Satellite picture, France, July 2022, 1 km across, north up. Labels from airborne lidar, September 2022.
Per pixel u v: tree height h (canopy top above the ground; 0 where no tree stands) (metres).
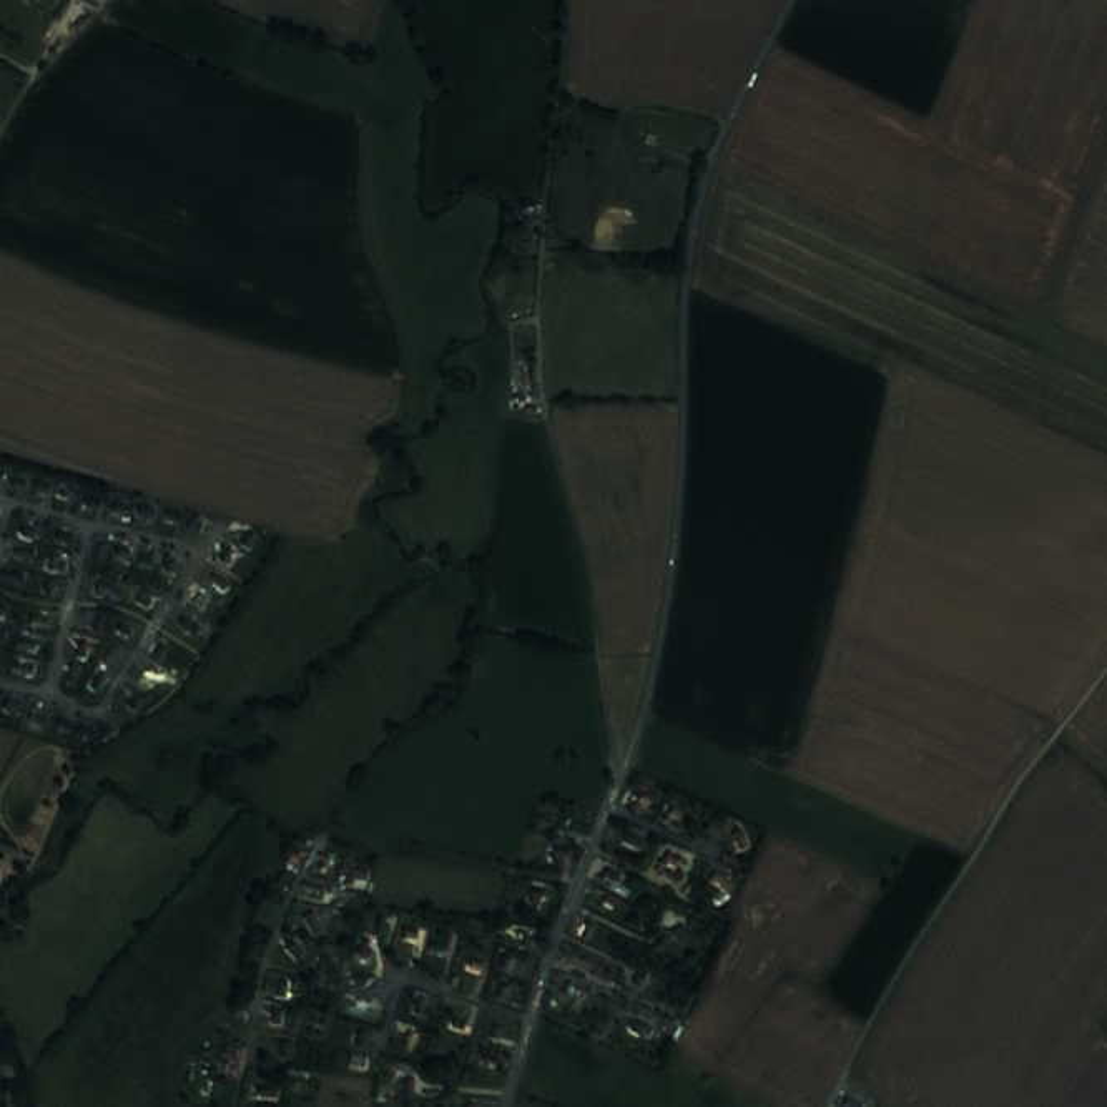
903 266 0
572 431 0
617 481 0
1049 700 0
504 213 14
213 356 0
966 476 0
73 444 0
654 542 0
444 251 0
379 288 0
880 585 0
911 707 0
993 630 0
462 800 0
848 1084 0
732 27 0
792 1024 0
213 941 0
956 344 0
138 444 0
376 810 0
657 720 0
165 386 0
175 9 0
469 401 0
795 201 0
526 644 14
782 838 0
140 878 0
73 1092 0
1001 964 0
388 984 0
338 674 0
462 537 0
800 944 0
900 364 0
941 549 0
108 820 0
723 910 7
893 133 0
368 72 0
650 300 0
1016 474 0
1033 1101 0
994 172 0
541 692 0
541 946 12
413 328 0
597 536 0
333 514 0
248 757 11
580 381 0
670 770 0
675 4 0
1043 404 0
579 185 0
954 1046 0
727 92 0
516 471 0
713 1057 0
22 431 0
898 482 0
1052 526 0
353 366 0
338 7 0
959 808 0
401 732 15
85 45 0
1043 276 0
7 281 0
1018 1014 0
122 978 0
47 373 0
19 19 0
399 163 0
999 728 0
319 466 0
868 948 0
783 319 0
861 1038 0
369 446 14
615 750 0
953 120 0
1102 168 0
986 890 0
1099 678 0
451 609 0
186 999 0
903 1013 0
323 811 0
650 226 0
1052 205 0
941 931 0
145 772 0
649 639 0
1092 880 0
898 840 0
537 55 0
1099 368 0
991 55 0
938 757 0
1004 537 0
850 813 0
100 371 0
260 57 0
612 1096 0
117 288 0
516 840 0
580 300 0
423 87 0
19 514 5
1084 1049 0
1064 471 0
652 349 0
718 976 0
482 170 0
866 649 0
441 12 0
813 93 0
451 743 0
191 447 0
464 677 11
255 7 0
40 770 0
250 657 0
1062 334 0
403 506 0
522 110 0
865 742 0
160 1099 0
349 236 0
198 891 0
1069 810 0
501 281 0
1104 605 0
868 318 0
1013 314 0
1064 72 0
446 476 0
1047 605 0
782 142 0
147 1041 0
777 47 0
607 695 0
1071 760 0
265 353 0
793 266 0
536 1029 0
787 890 0
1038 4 0
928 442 0
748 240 0
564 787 0
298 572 0
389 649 0
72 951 0
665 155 0
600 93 0
